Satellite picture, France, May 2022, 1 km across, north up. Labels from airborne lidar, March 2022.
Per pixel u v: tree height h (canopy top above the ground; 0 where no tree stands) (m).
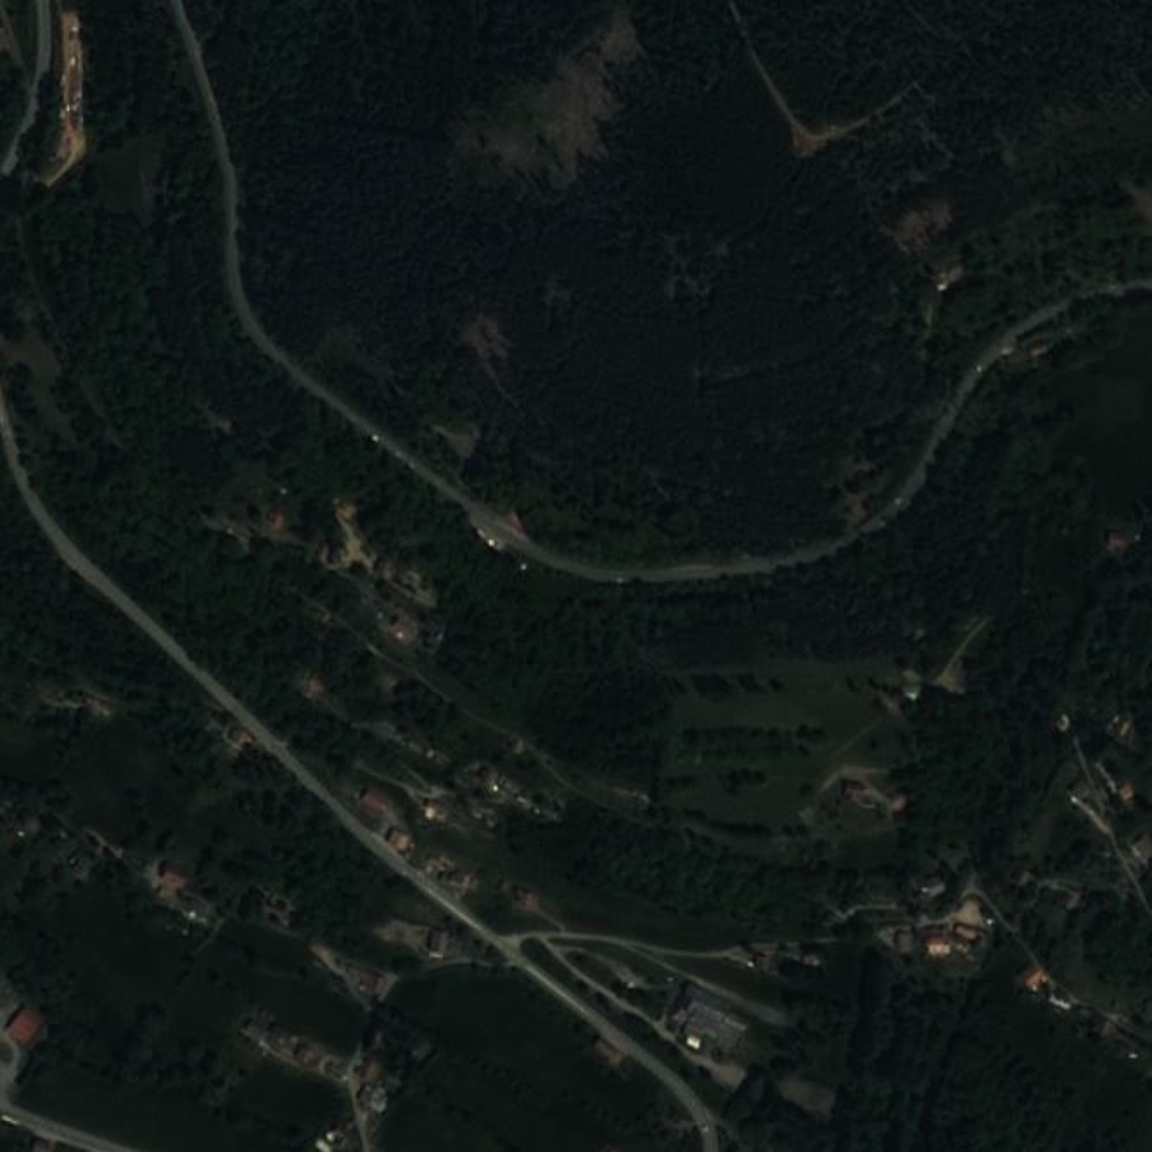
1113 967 16
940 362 9
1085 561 6
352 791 0
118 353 20
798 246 15
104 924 0
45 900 22
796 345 23
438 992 0
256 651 21
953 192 27
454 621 15
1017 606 6
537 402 23
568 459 23
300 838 24
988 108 22
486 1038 0
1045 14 33
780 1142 24
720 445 22
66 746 18
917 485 0
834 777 0
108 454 17
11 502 15
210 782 10
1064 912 0
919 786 21
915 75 28
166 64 16
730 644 30
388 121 15
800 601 30
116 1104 0
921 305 15
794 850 0
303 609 15
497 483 13
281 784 20
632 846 25
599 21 27
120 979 0
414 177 28
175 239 26
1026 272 21
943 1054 0
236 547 18
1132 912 9
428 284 26
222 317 14
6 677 9
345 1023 0
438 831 0
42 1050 14
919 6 34
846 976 0
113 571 9
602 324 21
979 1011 15
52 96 20
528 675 22
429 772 7
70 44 0
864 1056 27
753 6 7
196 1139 0
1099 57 30
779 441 21
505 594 16
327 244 28
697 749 17
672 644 30
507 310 23
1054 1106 14
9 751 0
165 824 0
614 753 9
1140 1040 9
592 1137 0
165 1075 18
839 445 23
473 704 0
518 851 20
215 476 21
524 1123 0
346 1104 0
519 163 0
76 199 17
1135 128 0
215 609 17
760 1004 0
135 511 18
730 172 9
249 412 26
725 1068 0
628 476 23
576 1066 0
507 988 0
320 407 19
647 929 0
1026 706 23
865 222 18
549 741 7
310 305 29
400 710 10
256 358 20
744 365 23
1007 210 25
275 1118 0
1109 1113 0
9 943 28
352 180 27
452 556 20
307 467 24
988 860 20
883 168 9
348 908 19
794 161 10
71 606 9
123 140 19
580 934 0
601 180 25
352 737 21
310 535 13
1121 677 23
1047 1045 0
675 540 22
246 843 0
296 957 0
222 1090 0
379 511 17
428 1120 0
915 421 29
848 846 0
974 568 31
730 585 11
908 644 25
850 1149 9
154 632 0
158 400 18
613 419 21
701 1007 0
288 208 13
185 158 19
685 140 13
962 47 9
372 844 0
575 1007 0
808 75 9
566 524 0
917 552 21
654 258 17
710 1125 0
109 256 22
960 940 9
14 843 0
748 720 0
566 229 21
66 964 26
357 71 13
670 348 19
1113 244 17
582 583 9
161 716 21
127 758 0
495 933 0
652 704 11
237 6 22
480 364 22
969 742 19
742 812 0
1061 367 23
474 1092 0
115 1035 0
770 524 24
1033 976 0
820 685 0
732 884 23
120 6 11
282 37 14
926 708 18
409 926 0
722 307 19
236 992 11
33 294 11
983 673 16
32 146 16
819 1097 0
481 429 8
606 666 7
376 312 28
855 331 23
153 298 21
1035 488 24
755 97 12
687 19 25
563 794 0
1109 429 0
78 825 7
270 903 7
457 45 17
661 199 14
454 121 12
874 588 30
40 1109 0
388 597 14
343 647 15
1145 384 0
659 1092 0
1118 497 0
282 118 16
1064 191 8
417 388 16
